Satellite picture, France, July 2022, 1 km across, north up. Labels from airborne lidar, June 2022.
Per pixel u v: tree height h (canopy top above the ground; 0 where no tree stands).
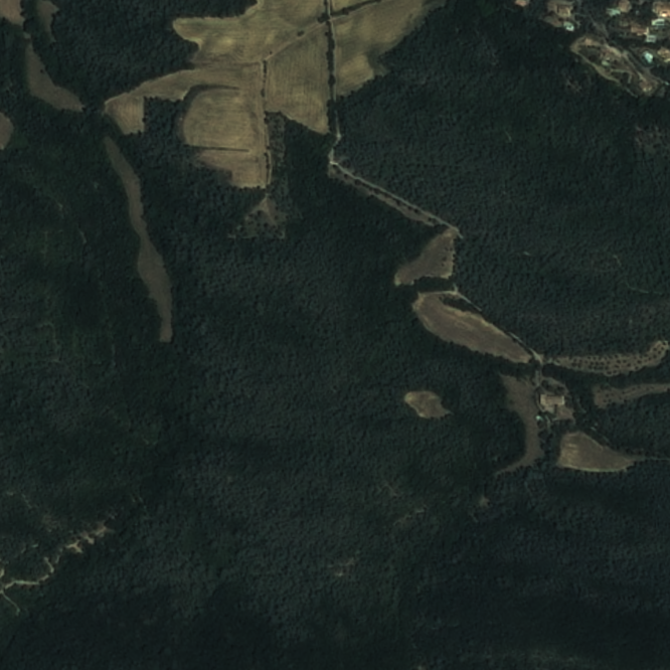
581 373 9
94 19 9
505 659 6
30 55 0
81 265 14
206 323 18
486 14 19
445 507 7
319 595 12
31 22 19
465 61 9
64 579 16
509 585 18
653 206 10
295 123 12
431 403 0
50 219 9
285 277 9
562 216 13
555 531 13
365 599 8
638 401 6
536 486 10
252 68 0
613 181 15
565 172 13
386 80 10
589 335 13
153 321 13
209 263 11
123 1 14
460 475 13
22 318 13
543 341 10
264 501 15
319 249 13
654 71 9
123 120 0
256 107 0
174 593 13
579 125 10
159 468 19
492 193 11
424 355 7
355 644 11
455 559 15
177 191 9
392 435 13
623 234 15
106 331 7
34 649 13
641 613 13
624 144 11
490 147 7
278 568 14
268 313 8
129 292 13
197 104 0
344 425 14
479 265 10
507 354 0
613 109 10
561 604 14
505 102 8
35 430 15
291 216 11
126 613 13
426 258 0
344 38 0
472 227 15
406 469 7
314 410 10
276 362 8
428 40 12
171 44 14
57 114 14
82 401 17
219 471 14
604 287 9
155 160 15
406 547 9
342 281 11
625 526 13
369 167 12
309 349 10
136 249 13
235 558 8
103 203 11
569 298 12
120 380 15
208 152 0
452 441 19
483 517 19
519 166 12
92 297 17
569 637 10
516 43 17
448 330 0
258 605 14
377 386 12
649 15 8
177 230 19
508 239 14
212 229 15
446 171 16
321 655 7
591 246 10
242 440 8
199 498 9
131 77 17
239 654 10
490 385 10
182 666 14
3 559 8
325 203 7
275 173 7
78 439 9
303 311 16
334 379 14
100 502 11
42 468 7
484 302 14
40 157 12
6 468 16
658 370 9
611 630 13
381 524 11
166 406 17
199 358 11
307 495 7
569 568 17
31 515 13
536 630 11
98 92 15
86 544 12
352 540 12
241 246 6
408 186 13
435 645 8
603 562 16
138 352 17
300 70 0
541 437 11
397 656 12
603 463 0
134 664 12
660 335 10
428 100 11
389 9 0
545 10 6
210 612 13
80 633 12
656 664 7
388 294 12
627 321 9
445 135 10
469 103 9
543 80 18
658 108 16
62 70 16
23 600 7
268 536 13
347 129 14
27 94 13
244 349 13
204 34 0
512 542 15
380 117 8
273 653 12
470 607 10
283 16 0
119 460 12
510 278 17
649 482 16
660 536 11
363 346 11
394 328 17
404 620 10
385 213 11
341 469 11
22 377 6
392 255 10
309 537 14
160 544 15
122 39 11
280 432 14
